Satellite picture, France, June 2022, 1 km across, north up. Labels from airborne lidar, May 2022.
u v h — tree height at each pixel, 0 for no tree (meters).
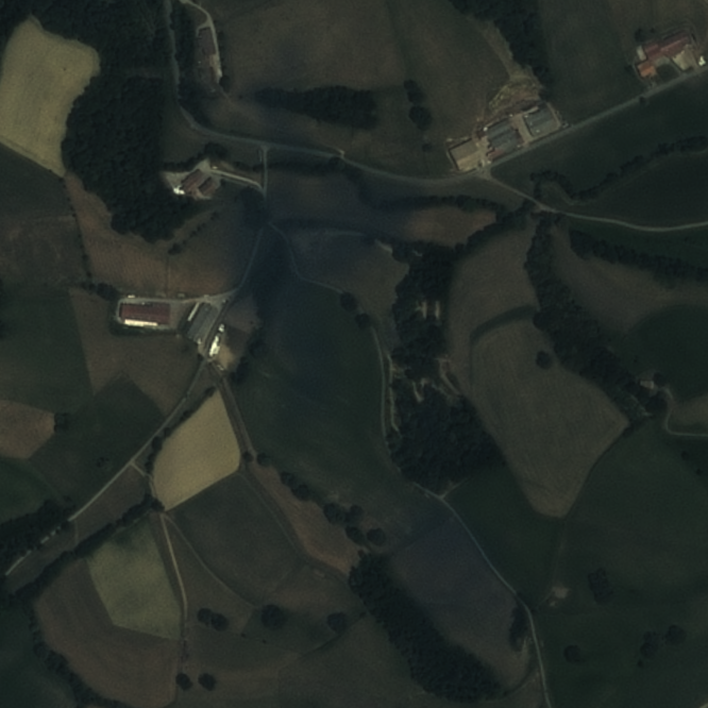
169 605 0
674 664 0
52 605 0
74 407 0
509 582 0
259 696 0
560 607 0
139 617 0
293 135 0
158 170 17
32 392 0
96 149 23
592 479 0
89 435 0
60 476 0
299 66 0
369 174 0
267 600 0
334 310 0
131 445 0
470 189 0
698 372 0
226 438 0
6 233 0
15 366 0
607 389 7
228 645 0
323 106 26
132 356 0
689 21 0
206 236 0
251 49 0
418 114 21
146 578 0
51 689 0
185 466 0
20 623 0
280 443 0
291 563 0
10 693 0
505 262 0
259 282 15
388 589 22
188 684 20
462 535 0
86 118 19
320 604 0
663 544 0
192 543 0
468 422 10
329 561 0
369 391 0
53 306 0
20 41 0
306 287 0
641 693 0
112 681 0
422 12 0
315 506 0
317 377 0
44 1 22
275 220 0
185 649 0
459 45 0
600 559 0
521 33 20
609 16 0
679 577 0
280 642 0
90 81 8
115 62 9
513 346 0
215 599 0
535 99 0
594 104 0
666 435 0
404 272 0
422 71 0
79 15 23
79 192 0
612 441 0
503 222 17
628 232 0
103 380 0
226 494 0
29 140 0
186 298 0
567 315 18
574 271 0
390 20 0
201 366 0
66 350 0
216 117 0
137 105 22
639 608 0
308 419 0
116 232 15
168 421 0
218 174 0
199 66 0
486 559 0
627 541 0
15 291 0
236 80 0
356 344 0
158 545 0
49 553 0
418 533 0
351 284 0
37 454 0
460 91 0
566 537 0
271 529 0
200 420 0
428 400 31
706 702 0
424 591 0
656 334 0
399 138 0
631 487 0
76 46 0
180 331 0
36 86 0
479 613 0
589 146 0
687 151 13
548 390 0
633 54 0
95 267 0
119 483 0
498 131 0
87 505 0
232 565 0
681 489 0
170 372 0
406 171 0
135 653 0
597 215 0
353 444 0
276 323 0
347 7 0
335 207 0
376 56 0
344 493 0
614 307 0
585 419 0
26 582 0
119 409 0
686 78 0
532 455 0
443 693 11
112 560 0
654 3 0
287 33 0
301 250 0
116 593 0
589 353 20
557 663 0
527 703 0
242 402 0
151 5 13
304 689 0
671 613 0
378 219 0
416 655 13
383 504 0
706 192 0
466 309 0
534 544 0
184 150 0
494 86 0
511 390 0
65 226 0
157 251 0
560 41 0
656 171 0
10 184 0
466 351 0
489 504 0
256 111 0
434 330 30
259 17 0
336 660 0
